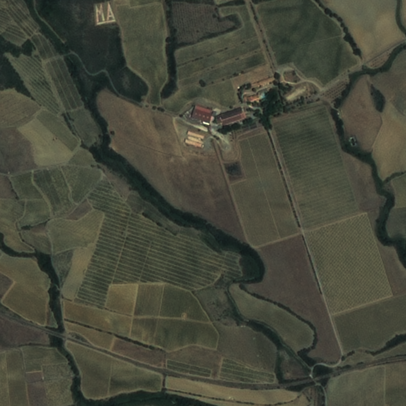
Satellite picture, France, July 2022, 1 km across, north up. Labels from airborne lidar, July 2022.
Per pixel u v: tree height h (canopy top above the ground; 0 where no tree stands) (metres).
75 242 0
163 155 0
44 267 7
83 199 0
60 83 0
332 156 0
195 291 0
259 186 0
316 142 0
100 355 0
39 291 0
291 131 0
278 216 0
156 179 0
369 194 0
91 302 0
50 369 0
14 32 0
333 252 0
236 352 0
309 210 0
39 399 0
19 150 0
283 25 0
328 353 0
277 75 15
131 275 0
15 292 0
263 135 0
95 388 0
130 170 6
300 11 0
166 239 0
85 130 0
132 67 0
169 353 0
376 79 0
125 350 0
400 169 0
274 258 0
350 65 0
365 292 0
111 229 0
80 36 0
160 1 0
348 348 0
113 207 0
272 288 0
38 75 0
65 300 0
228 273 0
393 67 0
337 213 0
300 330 0
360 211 0
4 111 0
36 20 7
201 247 0
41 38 0
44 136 0
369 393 0
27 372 0
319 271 0
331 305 0
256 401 0
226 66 0
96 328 0
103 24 0
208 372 0
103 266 0
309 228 0
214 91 0
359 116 0
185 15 0
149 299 0
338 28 0
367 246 0
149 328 0
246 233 0
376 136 0
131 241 0
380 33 0
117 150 0
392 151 0
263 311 0
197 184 0
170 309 0
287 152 0
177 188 0
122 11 0
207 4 0
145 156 0
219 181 0
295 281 0
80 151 0
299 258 0
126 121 0
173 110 0
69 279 0
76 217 0
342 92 8
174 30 6
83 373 0
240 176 0
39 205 0
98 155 7
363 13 0
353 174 0
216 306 0
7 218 0
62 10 0
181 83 0
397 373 0
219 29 0
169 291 0
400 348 0
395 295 0
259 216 0
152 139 0
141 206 0
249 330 0
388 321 0
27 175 0
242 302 0
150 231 0
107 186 0
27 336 0
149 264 0
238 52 0
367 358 0
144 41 0
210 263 0
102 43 0
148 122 0
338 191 0
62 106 0
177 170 0
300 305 0
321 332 0
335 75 0
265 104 14
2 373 0
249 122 20
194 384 0
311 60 0
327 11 11
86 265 0
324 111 0
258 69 0
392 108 0
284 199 0
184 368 0
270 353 0
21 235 0
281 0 0
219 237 6
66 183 0
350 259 0
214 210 0
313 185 0
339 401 0
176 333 0
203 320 0
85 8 0
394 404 0
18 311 0
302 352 6
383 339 0
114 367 0
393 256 0
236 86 0
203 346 0
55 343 6
